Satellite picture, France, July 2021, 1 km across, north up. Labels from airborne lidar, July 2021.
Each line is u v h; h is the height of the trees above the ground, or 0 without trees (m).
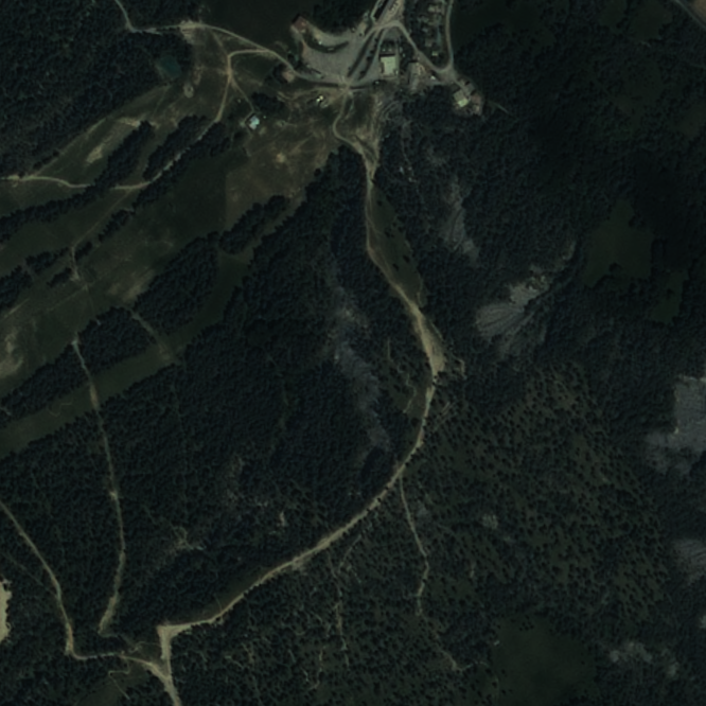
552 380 9
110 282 0
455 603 19
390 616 13
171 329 14
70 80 18
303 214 19
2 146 7
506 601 14
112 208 0
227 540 15
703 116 0
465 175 13
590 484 11
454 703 13
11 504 6
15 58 16
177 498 21
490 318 0
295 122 0
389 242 0
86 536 14
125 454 10
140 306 13
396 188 7
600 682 17
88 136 0
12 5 9
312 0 0
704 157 11
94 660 10
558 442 10
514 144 17
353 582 6
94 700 0
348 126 0
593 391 12
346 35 0
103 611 13
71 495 8
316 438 22
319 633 11
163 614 13
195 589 20
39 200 0
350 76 0
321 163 0
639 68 6
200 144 14
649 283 16
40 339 0
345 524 7
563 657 0
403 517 14
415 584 11
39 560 14
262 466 15
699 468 12
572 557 13
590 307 15
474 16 0
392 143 14
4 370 0
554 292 10
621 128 19
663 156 21
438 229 6
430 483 11
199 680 6
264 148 0
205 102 0
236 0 0
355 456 11
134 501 14
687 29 16
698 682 12
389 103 0
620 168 26
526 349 7
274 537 10
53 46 15
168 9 13
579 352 12
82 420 10
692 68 15
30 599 12
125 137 0
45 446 13
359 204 16
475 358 10
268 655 11
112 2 15
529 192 17
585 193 17
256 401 22
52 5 19
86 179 0
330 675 6
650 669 7
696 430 0
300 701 6
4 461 14
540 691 0
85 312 0
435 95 11
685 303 9
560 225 14
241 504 9
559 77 24
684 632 12
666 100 8
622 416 12
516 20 0
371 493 14
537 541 0
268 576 0
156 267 0
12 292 16
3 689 7
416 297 0
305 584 12
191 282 15
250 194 0
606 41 17
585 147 22
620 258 0
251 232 22
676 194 30
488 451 11
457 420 14
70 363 14
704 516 12
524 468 7
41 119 7
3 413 14
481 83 9
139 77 19
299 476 16
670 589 8
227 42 0
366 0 12
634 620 12
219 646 12
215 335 17
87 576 7
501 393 11
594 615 8
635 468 10
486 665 0
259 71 0
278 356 20
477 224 7
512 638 0
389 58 0
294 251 16
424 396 0
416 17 8
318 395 19
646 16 0
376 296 13
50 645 13
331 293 16
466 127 10
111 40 9
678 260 31
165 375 15
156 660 0
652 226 21
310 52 0
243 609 15
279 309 21
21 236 0
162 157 14
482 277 11
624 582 0
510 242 12
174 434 11
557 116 25
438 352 0
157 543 6
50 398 16
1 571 16
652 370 7
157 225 0
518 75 25
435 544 6
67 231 0
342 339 0
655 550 10
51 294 0
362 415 10
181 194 0
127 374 0
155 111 0
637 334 15
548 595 9
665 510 11
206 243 12
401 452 9
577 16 21
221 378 17
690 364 6
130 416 9
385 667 11
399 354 14
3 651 13
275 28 0
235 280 0
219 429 16
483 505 11
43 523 14
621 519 12
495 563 13
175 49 10
